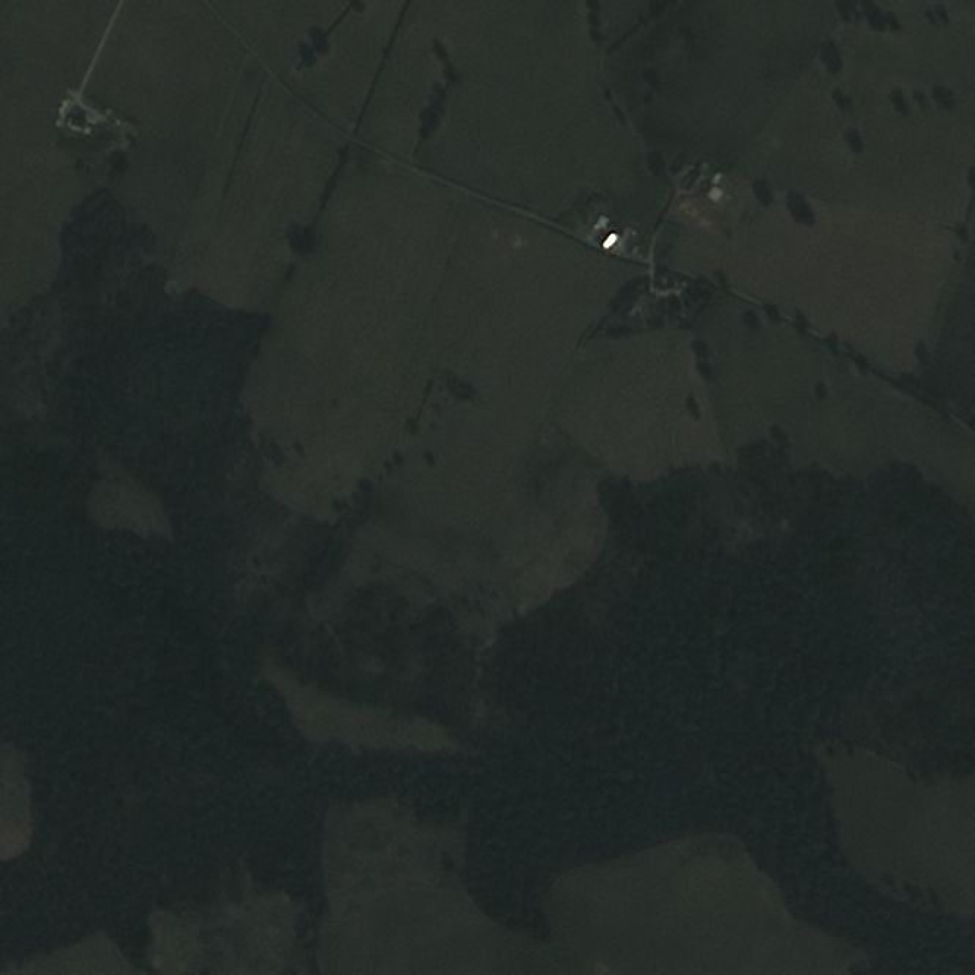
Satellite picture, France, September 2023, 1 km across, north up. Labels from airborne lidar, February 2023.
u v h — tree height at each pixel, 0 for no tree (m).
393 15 0
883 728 10
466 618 0
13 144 0
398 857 0
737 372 0
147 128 0
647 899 0
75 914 12
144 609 22
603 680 20
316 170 0
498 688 8
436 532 0
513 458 0
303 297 0
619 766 26
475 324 0
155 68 0
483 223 0
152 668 18
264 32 0
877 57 0
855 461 0
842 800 0
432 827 0
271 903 0
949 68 0
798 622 18
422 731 0
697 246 0
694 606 17
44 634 23
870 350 0
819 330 0
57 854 10
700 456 0
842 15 16
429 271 0
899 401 0
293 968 0
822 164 0
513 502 0
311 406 0
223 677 23
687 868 0
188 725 9
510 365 0
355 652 8
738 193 0
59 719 15
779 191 0
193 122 0
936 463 0
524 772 23
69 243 16
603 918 0
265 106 0
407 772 21
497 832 25
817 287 0
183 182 0
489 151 0
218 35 0
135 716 22
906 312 0
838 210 0
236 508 6
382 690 14
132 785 7
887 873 0
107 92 0
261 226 0
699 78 0
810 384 0
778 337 0
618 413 0
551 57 0
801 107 0
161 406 10
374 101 0
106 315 13
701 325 0
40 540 20
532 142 0
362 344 0
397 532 0
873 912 23
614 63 0
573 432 0
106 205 6
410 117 0
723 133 0
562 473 0
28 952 14
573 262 0
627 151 0
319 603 0
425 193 0
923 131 0
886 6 0
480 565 0
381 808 0
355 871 0
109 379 11
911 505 13
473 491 0
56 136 0
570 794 25
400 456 8
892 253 0
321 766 10
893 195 0
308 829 20
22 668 22
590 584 10
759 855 12
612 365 0
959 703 14
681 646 21
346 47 0
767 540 9
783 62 0
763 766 29
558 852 10
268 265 0
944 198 0
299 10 0
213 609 20
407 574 0
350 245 0
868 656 14
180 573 19
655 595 21
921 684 13
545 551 0
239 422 9
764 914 0
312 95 0
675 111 0
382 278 0
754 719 24
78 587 23
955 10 0
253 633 19
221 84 0
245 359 7
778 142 0
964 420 0
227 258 0
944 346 0
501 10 0
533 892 9
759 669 9
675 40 0
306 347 0
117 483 0
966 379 0
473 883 7
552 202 0
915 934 28
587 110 0
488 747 19
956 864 0
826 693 13
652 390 0
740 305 0
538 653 15
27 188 0
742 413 0
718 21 0
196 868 17
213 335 13
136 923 16
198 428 9
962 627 14
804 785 15
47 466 8
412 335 0
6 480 5
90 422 20
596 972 0
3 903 21
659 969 0
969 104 0
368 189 0
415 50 0
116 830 16
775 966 0
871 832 0
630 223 0
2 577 19
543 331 0
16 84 0
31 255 0
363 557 0
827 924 9
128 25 0
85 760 15
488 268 0
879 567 13
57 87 0
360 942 0
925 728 13
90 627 24
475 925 0
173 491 16
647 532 18
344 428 0
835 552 24
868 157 0
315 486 0
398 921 0
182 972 0
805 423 0
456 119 0
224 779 10
